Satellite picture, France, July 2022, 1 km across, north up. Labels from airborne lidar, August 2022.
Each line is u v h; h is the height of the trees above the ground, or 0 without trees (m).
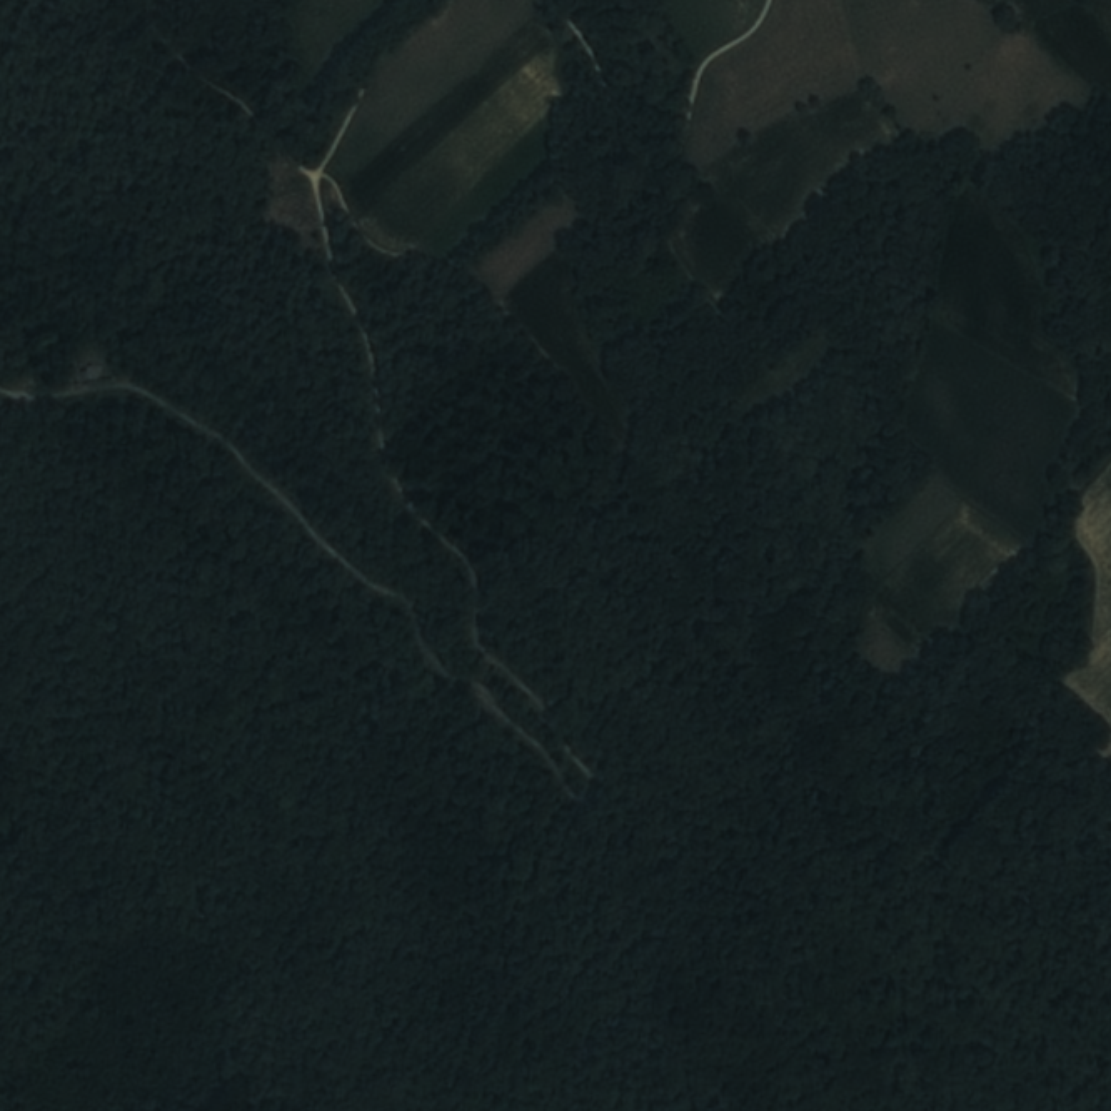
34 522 25
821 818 19
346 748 25
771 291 13
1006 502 0
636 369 21
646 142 25
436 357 9
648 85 23
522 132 0
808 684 28
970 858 24
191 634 18
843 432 28
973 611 14
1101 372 19
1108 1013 25
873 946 23
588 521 26
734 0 0
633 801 24
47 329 18
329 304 26
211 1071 13
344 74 23
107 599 23
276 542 26
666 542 23
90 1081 13
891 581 0
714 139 0
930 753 23
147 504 27
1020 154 18
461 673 20
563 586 19
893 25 0
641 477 27
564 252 16
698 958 25
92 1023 14
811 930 19
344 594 19
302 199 0
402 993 23
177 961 25
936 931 23
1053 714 28
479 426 13
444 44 0
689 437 17
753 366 15
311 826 25
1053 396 0
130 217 29
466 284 13
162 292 20
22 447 24
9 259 10
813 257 18
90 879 18
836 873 19
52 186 31
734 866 20
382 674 25
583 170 29
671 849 22
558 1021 26
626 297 6
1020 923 23
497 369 28
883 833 17
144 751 27
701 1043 23
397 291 22
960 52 0
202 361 20
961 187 22
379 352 21
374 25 16
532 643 17
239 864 20
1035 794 23
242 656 25
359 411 23
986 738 22
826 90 0
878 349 20
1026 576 15
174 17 17
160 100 22
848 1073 28
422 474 22
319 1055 25
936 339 0
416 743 28
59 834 25
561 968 21
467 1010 27
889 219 13
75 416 18
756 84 0
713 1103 24
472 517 9
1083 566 13
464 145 0
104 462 26
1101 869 19
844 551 21
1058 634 13
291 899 24
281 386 26
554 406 10
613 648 22
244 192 23
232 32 22
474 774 24
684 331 18
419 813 26
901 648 0
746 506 22
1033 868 20
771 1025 23
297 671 29
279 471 20
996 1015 21
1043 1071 13
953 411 0
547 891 19
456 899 20
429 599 23
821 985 25
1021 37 0
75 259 17
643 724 22
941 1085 28
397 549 24
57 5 20
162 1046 15
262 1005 22
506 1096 18
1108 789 20
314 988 24
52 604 27
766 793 16
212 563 24
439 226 0
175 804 25
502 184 0
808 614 25
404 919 25
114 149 23
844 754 25
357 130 0
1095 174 28
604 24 29
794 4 0
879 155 15
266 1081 20
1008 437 0
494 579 26
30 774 25
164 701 6
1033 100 0
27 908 27
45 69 27
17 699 23
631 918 27
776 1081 20
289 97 22
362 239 16
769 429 24
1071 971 20
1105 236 22
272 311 21
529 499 34
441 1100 22
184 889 18
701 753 23
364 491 25
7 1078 9
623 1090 17
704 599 19
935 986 30
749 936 23
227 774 28
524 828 23
